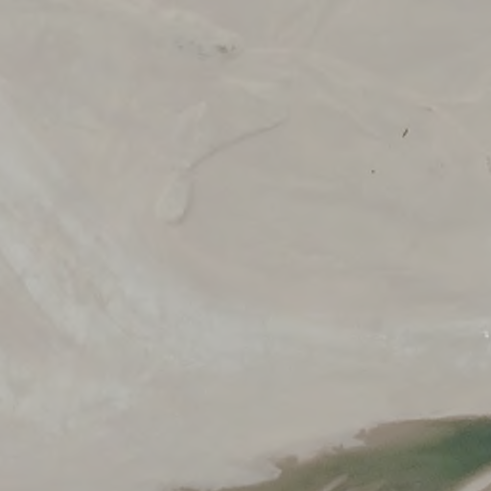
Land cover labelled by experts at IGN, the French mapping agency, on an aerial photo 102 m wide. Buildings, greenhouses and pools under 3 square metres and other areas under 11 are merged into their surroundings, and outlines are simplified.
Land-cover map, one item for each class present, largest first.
<instances>
[{"label":"bare soil","instance_id":"1","mask_svg":"<svg viewBox=\"0 0 491 491\"><path fill-rule=\"evenodd\" d=\"M491 416V0H0V491H219L224 487L255 485L276 479L280 476V468L276 464L282 458L297 456L301 460H313L320 453H332L334 447H339V439L345 433L370 430L378 424L401 420ZM458 491H491V468L474 476Z\"/></svg>","mask_w":491,"mask_h":491},{"label":"water","instance_id":"2","mask_svg":"<svg viewBox=\"0 0 491 491\"><path fill-rule=\"evenodd\" d=\"M280 468V476L276 479L255 485L224 487L219 491H458L474 476L491 468V416L401 420L378 424L370 430L345 433L339 439V447H334L332 453H320L313 460H301L297 456L282 458L276 464Z\"/></svg>","mask_w":491,"mask_h":491}]
</instances>
